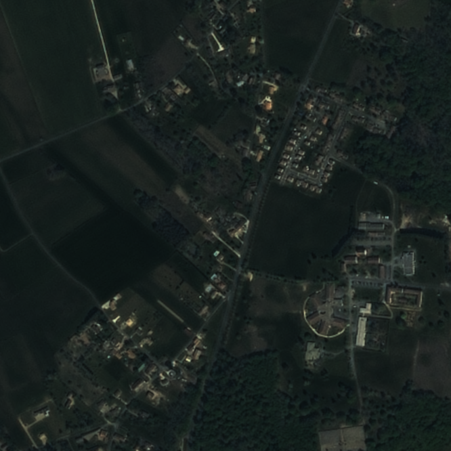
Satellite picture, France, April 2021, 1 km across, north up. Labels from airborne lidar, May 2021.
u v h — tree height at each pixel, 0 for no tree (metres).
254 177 20
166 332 0
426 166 14
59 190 0
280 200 0
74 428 13
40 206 0
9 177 0
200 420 18
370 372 0
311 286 0
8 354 0
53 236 0
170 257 0
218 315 0
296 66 0
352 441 0
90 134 0
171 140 8
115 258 0
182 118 9
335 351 0
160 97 9
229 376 17
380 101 12
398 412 16
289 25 0
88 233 0
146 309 0
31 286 0
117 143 0
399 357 0
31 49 0
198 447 25
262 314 0
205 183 15
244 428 11
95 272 0
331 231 0
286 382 0
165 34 0
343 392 13
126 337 0
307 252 0
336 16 10
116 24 0
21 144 0
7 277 0
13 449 12
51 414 0
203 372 13
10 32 0
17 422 0
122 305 0
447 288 0
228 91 19
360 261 12
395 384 0
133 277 0
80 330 8
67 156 0
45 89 0
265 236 0
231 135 0
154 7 0
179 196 0
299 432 16
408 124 15
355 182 0
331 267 0
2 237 0
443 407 15
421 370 0
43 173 0
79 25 0
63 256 0
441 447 12
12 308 0
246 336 0
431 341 0
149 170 0
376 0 13
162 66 0
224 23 10
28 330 0
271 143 6
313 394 0
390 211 0
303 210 0
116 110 20
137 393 0
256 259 0
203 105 0
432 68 16
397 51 18
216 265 12
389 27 0
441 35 15
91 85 0
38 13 0
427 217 0
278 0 0
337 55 0
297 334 0
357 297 7
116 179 0
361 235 11
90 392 0
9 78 0
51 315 0
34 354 0
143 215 0
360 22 17
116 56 0
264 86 0
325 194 0
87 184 0
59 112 0
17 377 0
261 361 12
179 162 17
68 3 0
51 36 0
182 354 0
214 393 26
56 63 0
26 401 0
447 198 23
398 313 0
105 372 0
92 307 0
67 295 0
